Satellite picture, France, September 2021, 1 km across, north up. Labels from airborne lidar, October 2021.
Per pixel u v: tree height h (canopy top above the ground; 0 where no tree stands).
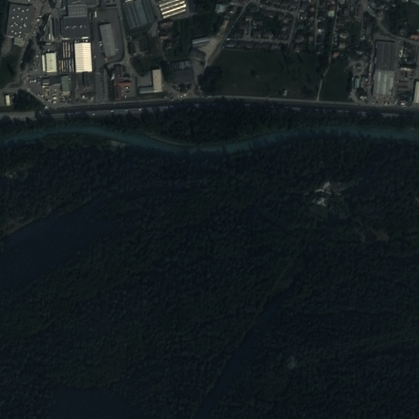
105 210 18
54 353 24
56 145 6
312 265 15
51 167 14
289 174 34
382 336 13
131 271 19
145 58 0
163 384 21
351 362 15
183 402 17
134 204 22
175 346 25
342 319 12
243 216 20
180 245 18
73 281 16
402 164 29
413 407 20
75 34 0
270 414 18
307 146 32
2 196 20
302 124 16
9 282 21
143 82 0
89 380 16
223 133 17
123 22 0
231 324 22
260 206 24
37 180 19
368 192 22
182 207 20
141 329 14
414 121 23
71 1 0
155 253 24
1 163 35
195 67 0
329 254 17
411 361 9
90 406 28
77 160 23
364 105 0
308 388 21
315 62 0
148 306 26
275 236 19
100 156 27
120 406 23
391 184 15
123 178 20
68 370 14
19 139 0
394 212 16
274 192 21
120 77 0
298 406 19
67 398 24
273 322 19
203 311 13
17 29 0
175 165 19
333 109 0
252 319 14
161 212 11
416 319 18
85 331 15
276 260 17
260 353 19
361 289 16
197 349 15
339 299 24
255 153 19
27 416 33
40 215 11
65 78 0
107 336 12
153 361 26
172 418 18
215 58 0
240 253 26
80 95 0
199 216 20
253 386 15
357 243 6
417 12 0
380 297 26
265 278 19
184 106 0
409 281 24
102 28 0
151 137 0
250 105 0
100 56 0
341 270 27
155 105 0
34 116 0
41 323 14
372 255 27
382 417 22
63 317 22
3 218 10
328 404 14
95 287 19
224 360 26
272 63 0
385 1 0
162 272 28
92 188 20
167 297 19
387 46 0
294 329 22
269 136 0
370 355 8
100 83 0
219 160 19
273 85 0
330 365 15
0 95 0
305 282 19
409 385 17
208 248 17
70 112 0
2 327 16
